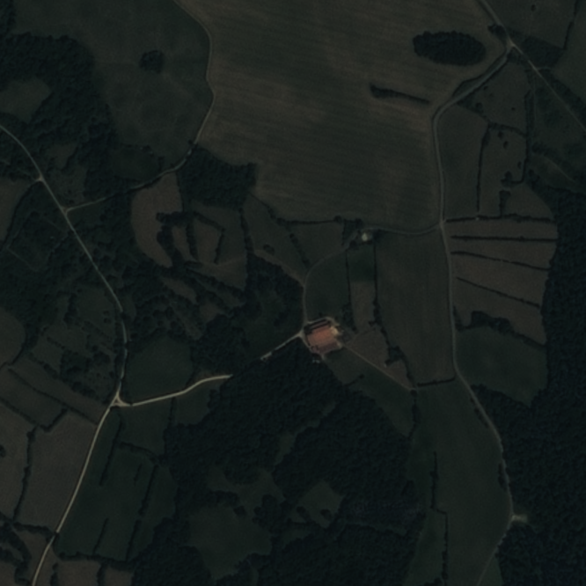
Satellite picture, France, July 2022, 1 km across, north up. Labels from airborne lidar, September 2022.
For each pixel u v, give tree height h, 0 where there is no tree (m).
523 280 0
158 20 0
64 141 8
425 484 0
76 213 0
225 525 0
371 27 0
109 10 0
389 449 14
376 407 10
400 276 0
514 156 0
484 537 0
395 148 0
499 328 17
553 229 0
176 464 16
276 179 0
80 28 0
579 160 0
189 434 16
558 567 28
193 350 13
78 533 0
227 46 0
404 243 0
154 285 10
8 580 0
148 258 8
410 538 13
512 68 0
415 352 0
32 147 9
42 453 0
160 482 0
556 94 0
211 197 7
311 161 0
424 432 0
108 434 0
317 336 0
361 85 0
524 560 7
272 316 0
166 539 16
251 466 20
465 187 0
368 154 0
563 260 17
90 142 11
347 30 0
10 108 0
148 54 7
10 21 15
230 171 13
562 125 0
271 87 0
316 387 16
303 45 0
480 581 0
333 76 0
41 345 0
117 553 0
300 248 8
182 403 0
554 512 21
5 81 15
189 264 12
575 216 16
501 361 0
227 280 0
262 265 15
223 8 0
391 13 0
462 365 0
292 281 11
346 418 16
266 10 0
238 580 13
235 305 0
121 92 0
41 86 0
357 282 0
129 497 0
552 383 15
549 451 19
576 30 0
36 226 9
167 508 0
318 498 0
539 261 0
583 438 18
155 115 0
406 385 0
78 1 0
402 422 0
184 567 22
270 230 0
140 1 0
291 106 0
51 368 12
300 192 0
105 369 0
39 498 0
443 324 0
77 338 0
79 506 0
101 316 0
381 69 0
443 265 0
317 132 0
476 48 10
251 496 0
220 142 0
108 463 6
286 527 15
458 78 0
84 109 8
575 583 21
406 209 0
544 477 18
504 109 0
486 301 0
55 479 0
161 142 0
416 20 0
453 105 0
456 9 0
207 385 0
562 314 19
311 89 0
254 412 10
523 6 0
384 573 18
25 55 8
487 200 0
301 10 0
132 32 0
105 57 0
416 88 0
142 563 17
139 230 0
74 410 7
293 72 0
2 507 0
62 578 0
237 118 0
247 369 13
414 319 0
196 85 0
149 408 0
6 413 0
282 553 15
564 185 0
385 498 16
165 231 14
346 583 8
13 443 0
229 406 10
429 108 0
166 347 0
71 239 7
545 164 0
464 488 0
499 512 0
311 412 17
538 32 0
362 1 0
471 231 0
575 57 0
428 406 0
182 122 0
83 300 0
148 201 0
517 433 21
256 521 11
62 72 10
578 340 15
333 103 0
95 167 10
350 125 0
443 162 0
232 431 16
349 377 0
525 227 0
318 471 11
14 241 9
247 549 0
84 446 0
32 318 9
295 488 13
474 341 0
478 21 0
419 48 12
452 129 0
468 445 0
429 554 0
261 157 0
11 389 0
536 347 6
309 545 16
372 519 18
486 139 9
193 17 0
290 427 15
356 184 0
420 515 15
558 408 22
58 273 7
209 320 0
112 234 7
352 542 15
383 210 0
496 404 17
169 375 0
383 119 0
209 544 0
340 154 0
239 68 0
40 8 0
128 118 0
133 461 0
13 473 0
